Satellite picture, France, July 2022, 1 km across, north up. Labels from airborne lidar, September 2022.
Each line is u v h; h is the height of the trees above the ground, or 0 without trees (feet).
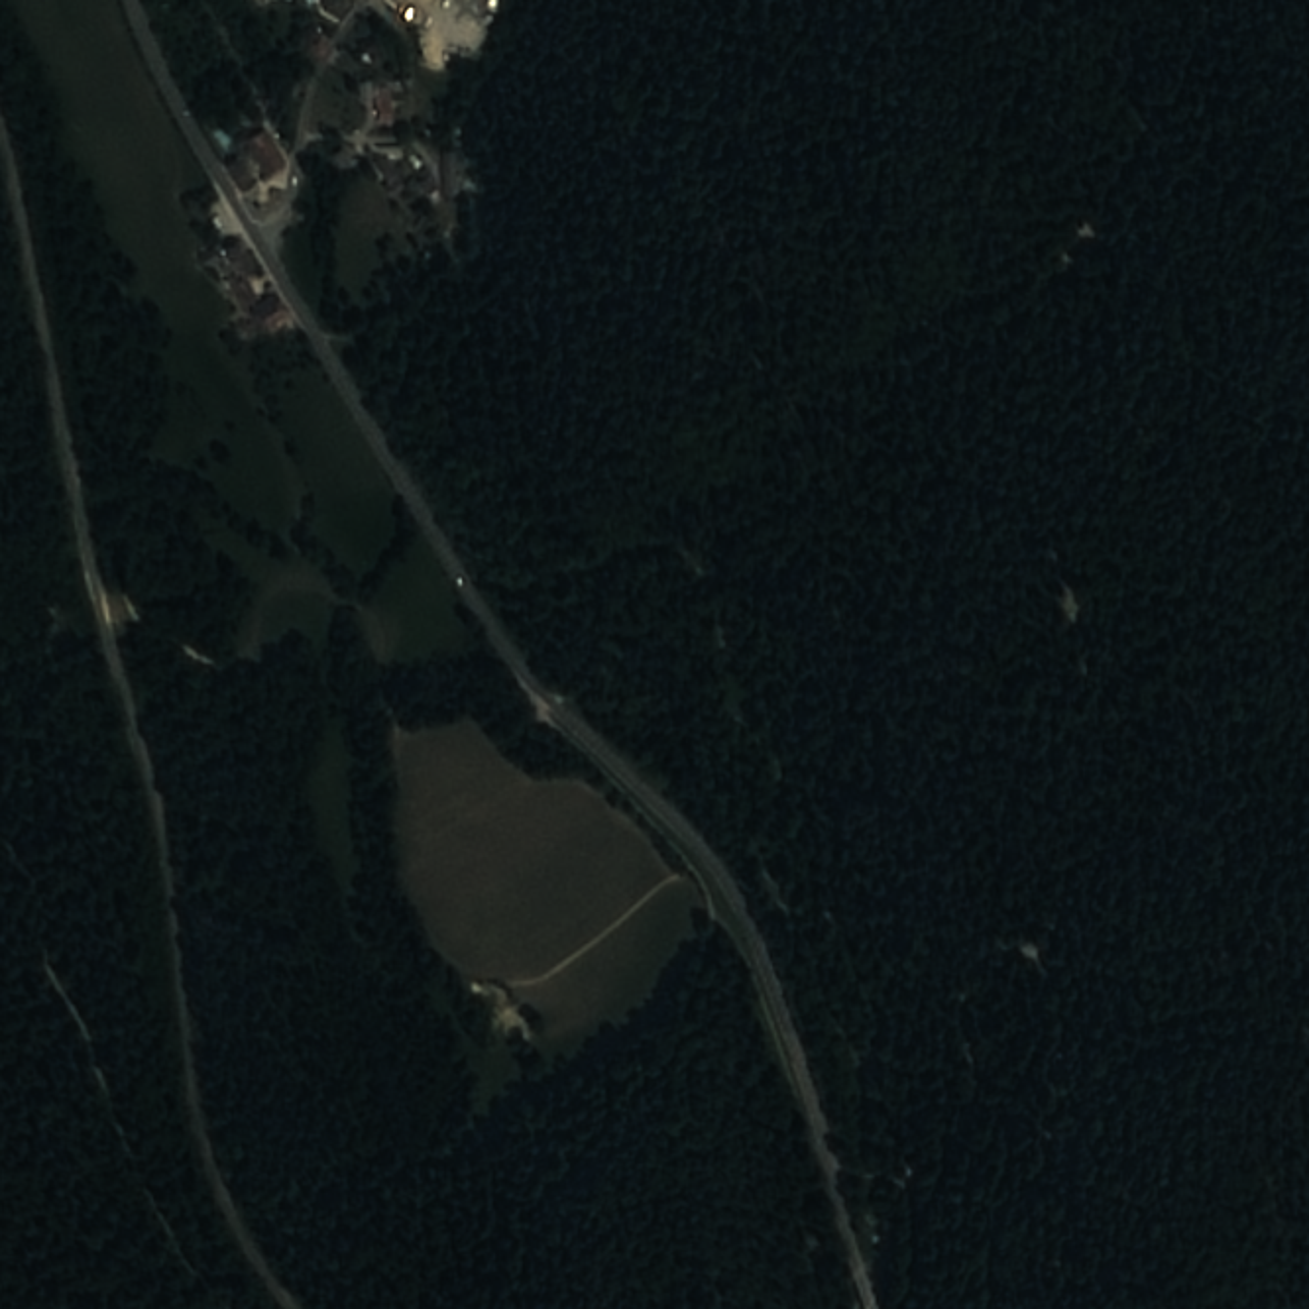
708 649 42
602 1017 0
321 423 0
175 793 89
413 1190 73
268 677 67
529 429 52
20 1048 67
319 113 0
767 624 59
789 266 73
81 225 43
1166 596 35
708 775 96
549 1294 85
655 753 57
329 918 98
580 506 60
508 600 65
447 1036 87
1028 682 104
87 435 28
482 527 84
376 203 0
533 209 92
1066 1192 30
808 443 98
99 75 0
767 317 84
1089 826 79
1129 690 58
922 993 63
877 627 102
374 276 22
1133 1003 97
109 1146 89
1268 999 61
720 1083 61
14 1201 90
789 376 74
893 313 78
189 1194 56
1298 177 79
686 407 53
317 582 0
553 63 88
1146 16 97
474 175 32
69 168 45
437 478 47
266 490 0
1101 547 72
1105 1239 88
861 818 99
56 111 36
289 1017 46
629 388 56
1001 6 92
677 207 73
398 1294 79
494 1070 0
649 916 0
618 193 63
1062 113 91
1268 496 84
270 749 93
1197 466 56
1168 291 87
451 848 0
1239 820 89
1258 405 97
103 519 87
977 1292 57
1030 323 79
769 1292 78
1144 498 59
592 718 58
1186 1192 61
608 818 0
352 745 20
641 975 0
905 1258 72
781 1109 92
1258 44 51
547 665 62
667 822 0
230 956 108
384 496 0
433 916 0
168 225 0
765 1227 70
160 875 36
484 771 0
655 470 56
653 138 81
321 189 48
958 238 64
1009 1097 87
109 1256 99
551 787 0
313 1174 85
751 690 93
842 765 96
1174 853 61
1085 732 43
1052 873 73
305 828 69
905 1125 55
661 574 85
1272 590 51
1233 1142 49
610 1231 57
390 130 18
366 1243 91
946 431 91
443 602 0
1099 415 77
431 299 30
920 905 69
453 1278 81
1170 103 93
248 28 47
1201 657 56
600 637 105
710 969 86
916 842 31
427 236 26
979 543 90
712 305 64
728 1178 30
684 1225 69
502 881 0
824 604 96
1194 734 94
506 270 89
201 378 0
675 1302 81
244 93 41
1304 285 86
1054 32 90
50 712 111
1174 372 83
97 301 69
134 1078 73
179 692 91
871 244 81
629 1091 67
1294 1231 74
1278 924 86
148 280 0
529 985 0
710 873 0
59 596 78
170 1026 45
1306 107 60
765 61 22
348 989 75
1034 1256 70
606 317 87
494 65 46
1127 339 49
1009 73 81
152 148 0
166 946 33
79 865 62
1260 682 41
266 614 0
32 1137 77
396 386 43
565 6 73
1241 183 86
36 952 89
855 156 108
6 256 63
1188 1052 95
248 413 0
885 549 99
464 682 39
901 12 70
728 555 108
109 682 25
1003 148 72
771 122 81
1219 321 63
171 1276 70
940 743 102
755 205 88
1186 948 48
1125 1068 94
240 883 101
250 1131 80
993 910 57
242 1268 42
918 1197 77
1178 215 88
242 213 0
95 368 51
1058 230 70
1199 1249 46
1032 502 69
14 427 92
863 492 100
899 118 69
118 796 72
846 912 92
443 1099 56
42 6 0
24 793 65
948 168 47
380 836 49
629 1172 50
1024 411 71
